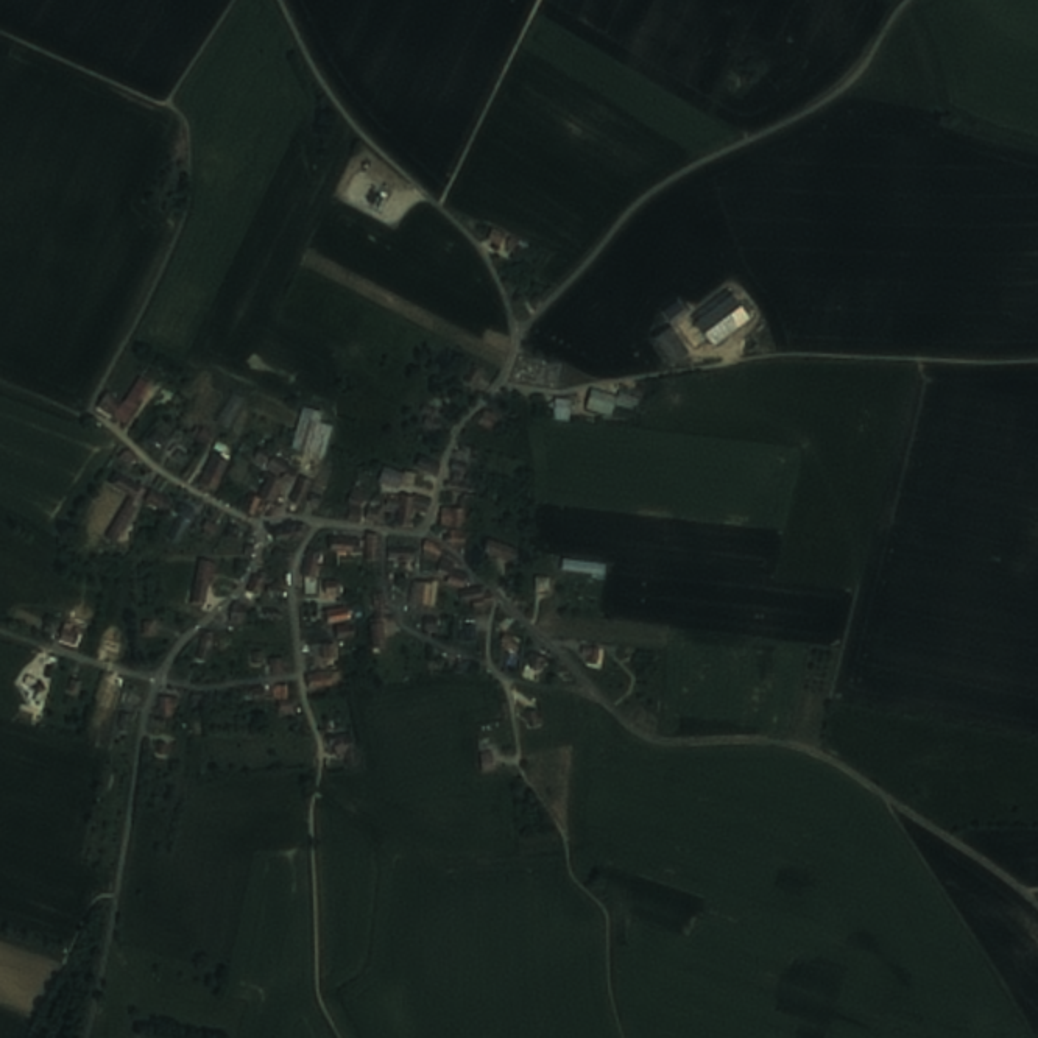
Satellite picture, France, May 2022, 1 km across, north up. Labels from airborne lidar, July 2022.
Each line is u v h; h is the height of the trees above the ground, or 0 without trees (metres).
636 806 0
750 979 0
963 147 0
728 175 0
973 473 0
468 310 0
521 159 0
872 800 0
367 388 0
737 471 0
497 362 0
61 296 0
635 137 0
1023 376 0
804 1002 0
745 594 0
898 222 0
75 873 0
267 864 0
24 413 0
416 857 0
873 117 0
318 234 0
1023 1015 0
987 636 0
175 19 0
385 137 0
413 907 0
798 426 0
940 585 0
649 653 6
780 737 0
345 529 0
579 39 0
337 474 0
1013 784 0
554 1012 0
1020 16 0
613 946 0
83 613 0
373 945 0
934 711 0
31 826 0
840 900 0
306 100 0
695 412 0
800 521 0
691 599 0
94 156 0
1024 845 0
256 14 0
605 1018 0
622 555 0
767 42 0
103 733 0
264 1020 0
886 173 0
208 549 0
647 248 0
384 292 0
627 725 0
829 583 0
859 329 0
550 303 0
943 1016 0
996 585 0
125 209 0
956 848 0
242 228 0
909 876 0
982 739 0
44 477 0
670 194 0
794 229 0
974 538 0
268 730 18
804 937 0
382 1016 0
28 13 0
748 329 0
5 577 0
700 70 0
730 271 0
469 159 0
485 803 0
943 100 0
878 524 0
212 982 12
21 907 0
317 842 11
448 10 0
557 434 0
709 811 0
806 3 0
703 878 0
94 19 0
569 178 0
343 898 0
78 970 8
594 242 0
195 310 0
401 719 0
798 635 0
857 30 0
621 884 0
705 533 0
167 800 8
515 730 0
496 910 0
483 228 6
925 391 0
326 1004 0
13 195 0
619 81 0
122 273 0
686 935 0
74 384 0
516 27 0
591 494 0
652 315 0
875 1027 0
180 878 0
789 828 0
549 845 0
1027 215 0
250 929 0
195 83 0
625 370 0
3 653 0
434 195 0
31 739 0
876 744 0
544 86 0
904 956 0
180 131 0
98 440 0
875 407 0
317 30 0
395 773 0
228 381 0
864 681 0
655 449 0
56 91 0
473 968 0
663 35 0
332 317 0
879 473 0
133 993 0
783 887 0
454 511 0
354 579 0
